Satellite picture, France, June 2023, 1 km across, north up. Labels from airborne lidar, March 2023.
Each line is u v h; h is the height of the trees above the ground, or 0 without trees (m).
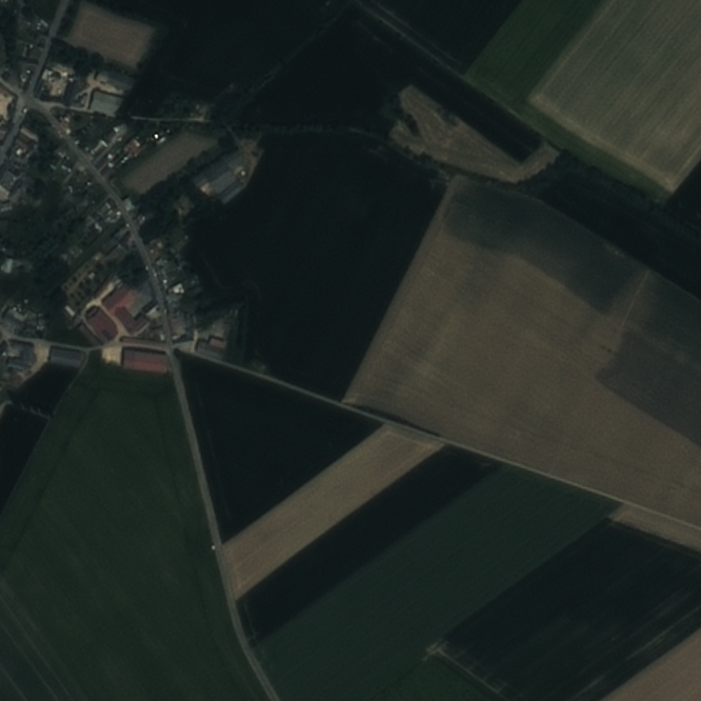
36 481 0
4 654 0
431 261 0
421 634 0
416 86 0
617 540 0
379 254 0
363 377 0
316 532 0
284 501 0
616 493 0
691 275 0
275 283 0
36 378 0
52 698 0
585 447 0
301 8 0
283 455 0
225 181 0
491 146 0
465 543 0
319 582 0
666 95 0
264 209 0
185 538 0
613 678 0
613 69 0
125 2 0
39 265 7
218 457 0
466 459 0
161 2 0
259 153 0
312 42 0
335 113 0
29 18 12
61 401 0
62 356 0
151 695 0
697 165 0
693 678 0
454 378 0
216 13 0
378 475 0
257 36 0
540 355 0
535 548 0
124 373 0
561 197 0
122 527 0
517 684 0
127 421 0
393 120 0
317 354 0
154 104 0
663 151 0
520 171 0
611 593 0
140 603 0
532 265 0
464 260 0
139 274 8
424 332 0
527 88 0
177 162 0
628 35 0
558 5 0
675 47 0
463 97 0
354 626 0
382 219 0
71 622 0
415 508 0
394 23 0
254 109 0
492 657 0
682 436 0
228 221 0
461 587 0
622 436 0
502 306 0
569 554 0
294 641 0
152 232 17
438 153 0
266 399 0
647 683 0
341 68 0
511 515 0
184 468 0
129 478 0
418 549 0
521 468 0
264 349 0
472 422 0
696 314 0
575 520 0
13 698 0
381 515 0
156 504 0
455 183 0
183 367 0
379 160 0
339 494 0
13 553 0
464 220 0
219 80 0
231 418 0
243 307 15
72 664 0
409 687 0
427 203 0
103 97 0
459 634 0
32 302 0
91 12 0
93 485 0
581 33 0
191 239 0
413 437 0
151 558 0
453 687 0
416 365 0
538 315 0
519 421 0
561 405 0
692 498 0
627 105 0
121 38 0
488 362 0
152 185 0
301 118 0
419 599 0
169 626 0
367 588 0
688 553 0
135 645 0
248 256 0
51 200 0
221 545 0
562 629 0
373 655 0
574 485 0
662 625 0
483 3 0
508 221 0
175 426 0
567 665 0
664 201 0
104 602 0
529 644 0
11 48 15
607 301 0
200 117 0
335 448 0
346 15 0
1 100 0
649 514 0
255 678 0
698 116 0
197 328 0
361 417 0
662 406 0
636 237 0
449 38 0
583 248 0
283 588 0
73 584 0
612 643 0
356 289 0
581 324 0
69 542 0
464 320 0
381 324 0
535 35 0
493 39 0
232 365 0
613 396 0
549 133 0
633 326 0
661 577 0
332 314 0
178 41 0
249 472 0
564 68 0
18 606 0
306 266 0
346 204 0
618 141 0
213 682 0
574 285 0
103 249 0
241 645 0
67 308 0
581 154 0
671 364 0
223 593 0
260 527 0
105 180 0
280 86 0
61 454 0
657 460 0
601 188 0
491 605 0
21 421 0
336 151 0
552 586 0
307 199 0
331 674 0
